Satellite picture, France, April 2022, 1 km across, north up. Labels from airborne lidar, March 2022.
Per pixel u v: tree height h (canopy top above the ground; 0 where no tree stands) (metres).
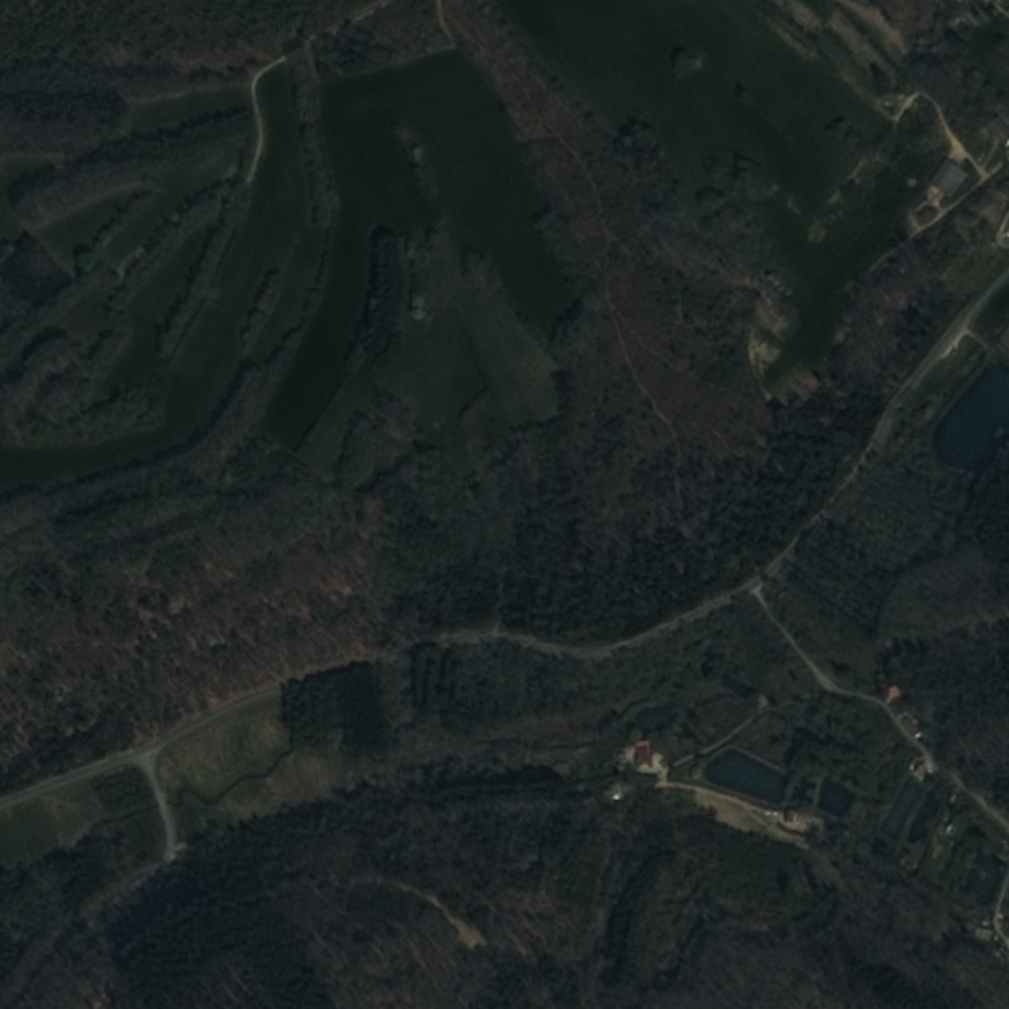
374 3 7
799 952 27
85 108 30
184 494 24
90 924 22
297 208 0
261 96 0
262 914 11
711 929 19
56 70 26
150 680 19
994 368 0
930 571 31
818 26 0
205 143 16
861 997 15
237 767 0
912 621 24
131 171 30
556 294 0
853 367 29
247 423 25
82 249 0
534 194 0
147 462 0
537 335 11
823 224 0
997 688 25
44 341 0
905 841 0
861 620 15
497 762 9
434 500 22
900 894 31
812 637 17
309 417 0
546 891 15
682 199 12
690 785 0
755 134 0
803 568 17
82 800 0
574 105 16
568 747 0
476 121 0
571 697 18
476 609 9
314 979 23
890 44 0
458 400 0
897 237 0
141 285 19
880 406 11
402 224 0
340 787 0
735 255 26
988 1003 25
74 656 10
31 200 26
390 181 0
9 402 23
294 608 8
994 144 0
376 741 22
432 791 21
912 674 29
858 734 10
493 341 0
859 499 22
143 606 16
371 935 10
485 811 35
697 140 0
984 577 19
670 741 16
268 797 0
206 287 17
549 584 23
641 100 0
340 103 0
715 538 22
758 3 0
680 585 26
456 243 0
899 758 7
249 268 0
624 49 0
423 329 14
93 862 22
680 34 0
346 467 15
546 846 16
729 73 0
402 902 8
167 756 0
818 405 10
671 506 23
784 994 27
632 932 18
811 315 0
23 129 30
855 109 0
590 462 10
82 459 0
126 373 0
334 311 0
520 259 0
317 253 0
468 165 0
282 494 30
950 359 0
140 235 0
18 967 21
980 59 11
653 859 11
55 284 12
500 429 0
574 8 0
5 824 0
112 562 25
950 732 28
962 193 0
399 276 28
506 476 16
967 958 29
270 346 0
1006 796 22
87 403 22
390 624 21
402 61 22
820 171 0
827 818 0
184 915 19
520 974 26
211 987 18
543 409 0
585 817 26
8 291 8
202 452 24
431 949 29
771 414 9
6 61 15
